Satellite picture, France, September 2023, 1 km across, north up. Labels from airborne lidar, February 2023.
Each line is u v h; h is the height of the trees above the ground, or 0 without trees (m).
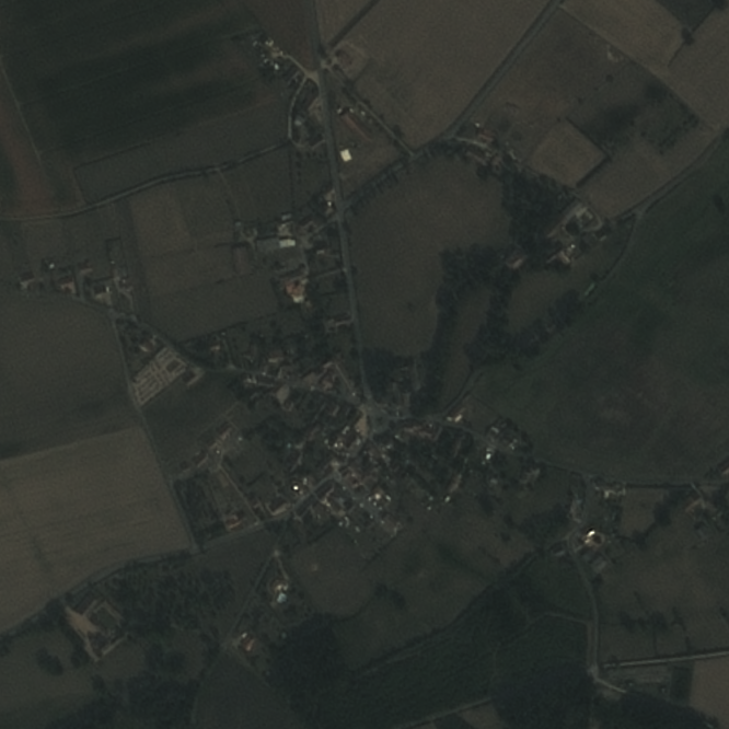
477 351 20
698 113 0
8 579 0
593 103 0
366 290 0
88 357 0
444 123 0
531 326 0
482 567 0
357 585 0
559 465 0
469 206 0
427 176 0
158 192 0
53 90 0
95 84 0
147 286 0
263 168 0
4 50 0
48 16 0
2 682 0
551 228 0
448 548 0
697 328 0
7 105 0
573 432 0
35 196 0
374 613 0
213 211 0
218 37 0
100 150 0
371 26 0
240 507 0
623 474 0
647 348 0
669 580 0
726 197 0
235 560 0
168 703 21
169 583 11
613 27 0
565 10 0
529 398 0
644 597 0
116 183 0
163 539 0
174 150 0
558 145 0
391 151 0
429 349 0
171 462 0
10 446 0
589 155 0
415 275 0
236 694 0
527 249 19
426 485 10
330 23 0
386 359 17
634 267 0
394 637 0
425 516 0
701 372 0
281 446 6
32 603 0
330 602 0
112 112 0
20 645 0
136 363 0
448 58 0
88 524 0
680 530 0
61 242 0
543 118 0
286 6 0
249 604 0
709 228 0
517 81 0
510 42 0
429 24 0
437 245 0
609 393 0
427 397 16
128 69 0
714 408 0
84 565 0
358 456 8
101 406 0
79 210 0
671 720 22
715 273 0
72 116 0
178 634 0
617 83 0
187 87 0
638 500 0
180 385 0
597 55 0
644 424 0
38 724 0
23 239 0
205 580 16
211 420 0
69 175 0
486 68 0
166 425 0
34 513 0
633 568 0
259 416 0
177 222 0
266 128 0
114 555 0
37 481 0
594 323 0
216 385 0
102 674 0
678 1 0
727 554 0
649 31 0
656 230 0
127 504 0
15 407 0
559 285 0
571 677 23
